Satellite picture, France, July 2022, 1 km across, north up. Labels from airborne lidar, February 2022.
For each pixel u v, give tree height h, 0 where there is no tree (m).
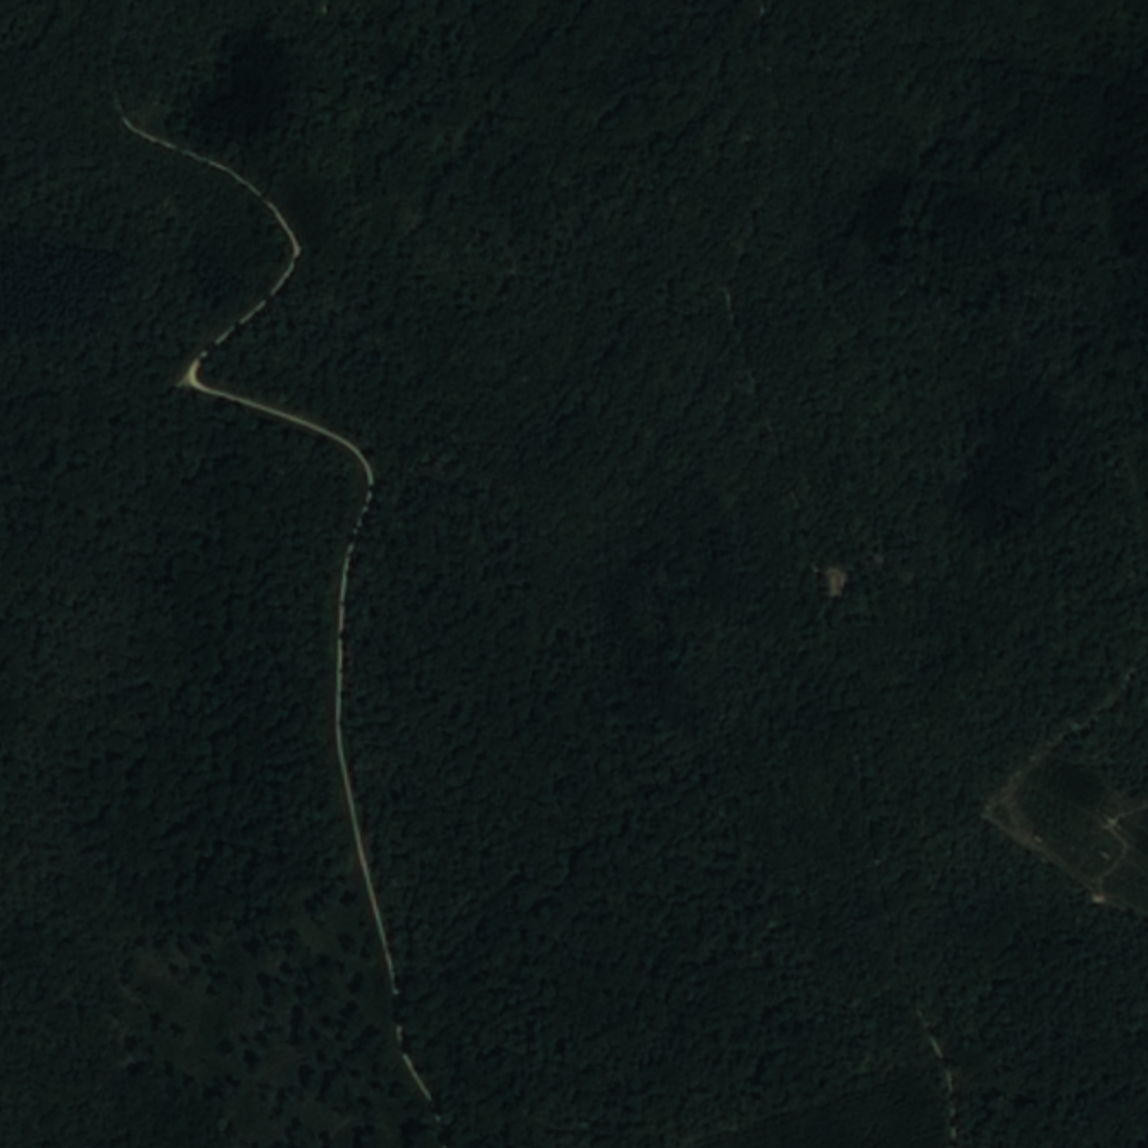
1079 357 8
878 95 22
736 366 15
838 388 16
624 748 20
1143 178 8
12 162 18
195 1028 0
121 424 20
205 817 29
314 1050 20
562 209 16
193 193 11
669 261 15
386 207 6
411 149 17
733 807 20
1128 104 14
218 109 21
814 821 19
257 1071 23
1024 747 15
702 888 21
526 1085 20
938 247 15
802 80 18
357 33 18
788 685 14
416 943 19
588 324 11
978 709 14
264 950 24
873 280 19
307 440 16
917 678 12
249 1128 0
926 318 23
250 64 12
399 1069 0
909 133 21
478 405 17
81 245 13
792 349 13
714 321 10
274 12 16
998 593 19
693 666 16
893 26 21
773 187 17
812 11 18
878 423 14
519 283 13
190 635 17
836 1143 9
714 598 19
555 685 14
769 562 15
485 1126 22
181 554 22
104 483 20
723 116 13
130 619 19
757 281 11
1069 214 20
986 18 18
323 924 21
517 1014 16
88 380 16
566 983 20
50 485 14
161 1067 22
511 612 14
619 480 15
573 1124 12
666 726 18
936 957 15
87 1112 19
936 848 9
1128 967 16
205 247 18
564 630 12
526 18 13
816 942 18
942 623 23
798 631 7
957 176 22
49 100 17
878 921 13
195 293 25
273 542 12
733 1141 7
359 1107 23
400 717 17
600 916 13
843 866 12
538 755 20
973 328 20
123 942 12
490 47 21
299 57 14
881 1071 12
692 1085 18
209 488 20
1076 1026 18
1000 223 18
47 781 20
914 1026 17
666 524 16
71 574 16
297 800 19
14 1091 18
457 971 21
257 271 14
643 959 20
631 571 19
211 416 18
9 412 24
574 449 21
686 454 12
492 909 25
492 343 13
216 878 23
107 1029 19
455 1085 20
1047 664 17
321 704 17
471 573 17
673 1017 13
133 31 17
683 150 12
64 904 17
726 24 14
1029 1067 22
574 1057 20
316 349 17
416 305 13
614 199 12
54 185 15
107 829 22
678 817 18
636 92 8
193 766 21
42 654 13
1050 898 6
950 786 14
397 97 17
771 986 20
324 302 16
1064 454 20
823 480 13
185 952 25
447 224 17
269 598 20
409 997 26
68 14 15
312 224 7
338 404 18
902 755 13
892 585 18
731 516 12
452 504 18
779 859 19
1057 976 16
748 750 19
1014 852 6
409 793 20
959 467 26
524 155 19
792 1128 8
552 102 14
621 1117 14
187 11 15
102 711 19
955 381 8
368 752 14
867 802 12
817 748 19
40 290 19
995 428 20
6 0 16
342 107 16
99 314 17
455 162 19
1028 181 9
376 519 15
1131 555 17
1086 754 12
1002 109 19
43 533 19
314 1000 20
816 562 12
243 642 24
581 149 9
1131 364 21
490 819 21
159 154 11
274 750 21
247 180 13
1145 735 10
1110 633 12
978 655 24
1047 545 16
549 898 11
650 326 17
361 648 18
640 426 8
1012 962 21
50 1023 18
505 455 16
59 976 16
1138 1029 8
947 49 26
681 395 7
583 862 21
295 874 19
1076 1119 18
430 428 12
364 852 0
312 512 22
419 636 17
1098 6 23
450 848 17
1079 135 14
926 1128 7
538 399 12
